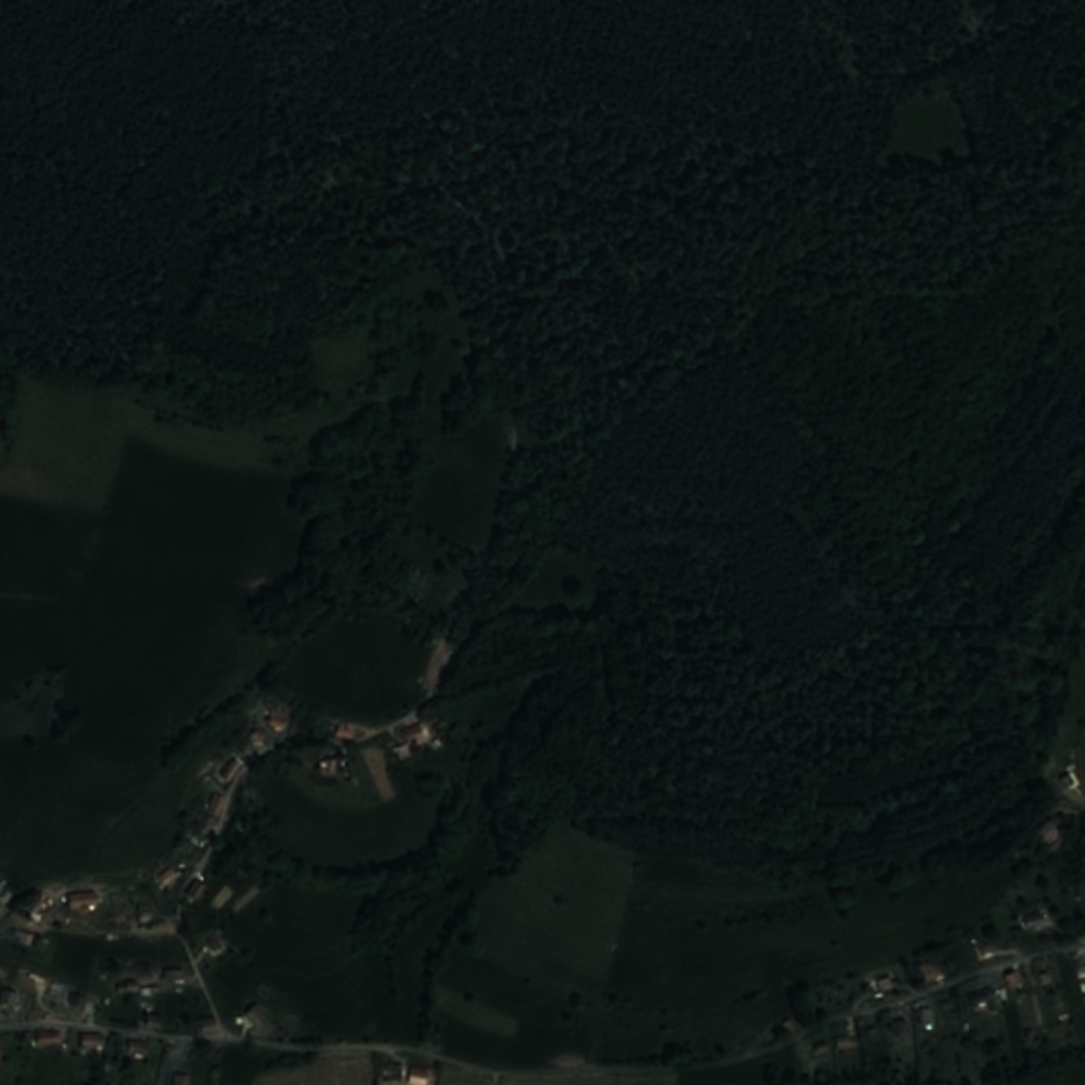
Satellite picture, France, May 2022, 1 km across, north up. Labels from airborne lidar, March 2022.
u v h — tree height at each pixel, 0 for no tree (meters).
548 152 36
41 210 24
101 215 22
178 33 16
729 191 29
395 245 23
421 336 6
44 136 21
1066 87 25
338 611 16
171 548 0
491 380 16
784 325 21
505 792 24
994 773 15
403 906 20
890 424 16
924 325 9
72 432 0
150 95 17
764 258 33
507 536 22
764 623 20
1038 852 15
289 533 0
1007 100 20
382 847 0
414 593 6
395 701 0
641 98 26
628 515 25
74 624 0
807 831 22
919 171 34
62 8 14
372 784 0
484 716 0
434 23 28
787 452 23
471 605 23
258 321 24
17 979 0
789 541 25
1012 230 26
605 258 24
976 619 18
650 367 10
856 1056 0
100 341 29
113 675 0
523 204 30
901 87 21
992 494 28
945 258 28
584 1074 0
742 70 29
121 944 0
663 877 0
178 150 19
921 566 19
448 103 30
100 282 29
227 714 18
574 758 10
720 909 0
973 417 10
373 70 26
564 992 0
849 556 17
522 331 28
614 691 14
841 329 10
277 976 0
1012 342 15
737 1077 0
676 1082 0
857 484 10
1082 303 12
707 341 16
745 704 29
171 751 16
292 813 0
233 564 0
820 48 27
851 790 14
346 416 0
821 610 24
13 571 0
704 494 26
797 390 13
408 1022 0
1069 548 40
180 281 7
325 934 0
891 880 22
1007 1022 0
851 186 34
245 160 18
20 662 0
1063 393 22
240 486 0
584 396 18
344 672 0
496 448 0
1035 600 36
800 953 0
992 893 0
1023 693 16
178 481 0
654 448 23
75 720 22
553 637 15
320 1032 0
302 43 26
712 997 0
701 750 23
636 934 0
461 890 11
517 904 0
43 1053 0
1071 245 13
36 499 0
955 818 25
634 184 30
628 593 9
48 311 29
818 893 0
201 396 11
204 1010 0
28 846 0
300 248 25
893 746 17
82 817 0
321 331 9
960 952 0
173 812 0
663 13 25
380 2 20
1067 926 12
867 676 27
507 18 26
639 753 17
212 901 0
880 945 0
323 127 29
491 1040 0
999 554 18
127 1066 12
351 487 11
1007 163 33
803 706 25
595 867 0
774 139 27
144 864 0
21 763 0
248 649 0
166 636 0
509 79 27
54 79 9
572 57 26
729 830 24
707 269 31
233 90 17
